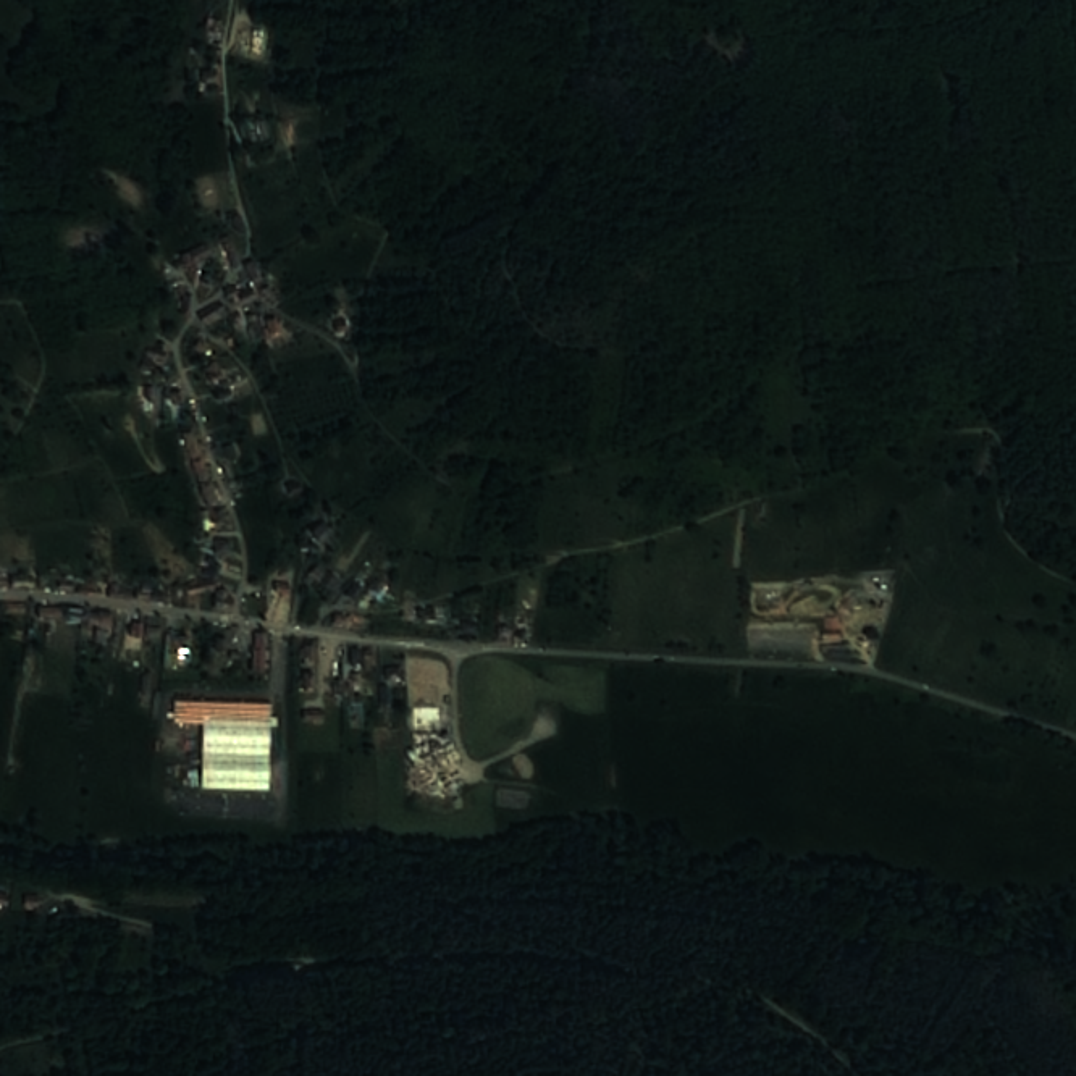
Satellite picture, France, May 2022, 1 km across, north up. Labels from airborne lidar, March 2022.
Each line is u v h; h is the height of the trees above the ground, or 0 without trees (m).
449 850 17
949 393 21
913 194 23
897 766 0
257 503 0
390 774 0
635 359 8
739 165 17
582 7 17
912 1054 25
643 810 0
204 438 0
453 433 13
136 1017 8
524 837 15
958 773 0
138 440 0
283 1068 24
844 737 0
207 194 0
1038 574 0
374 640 0
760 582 0
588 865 28
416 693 0
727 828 0
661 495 8
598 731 0
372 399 12
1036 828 0
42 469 0
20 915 0
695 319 15
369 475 0
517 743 0
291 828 0
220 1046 9
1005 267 14
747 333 8
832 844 0
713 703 0
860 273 15
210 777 0
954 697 0
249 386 0
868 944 29
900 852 0
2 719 0
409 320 16
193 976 16
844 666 0
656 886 22
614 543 0
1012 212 21
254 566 0
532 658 0
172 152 21
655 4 16
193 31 0
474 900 25
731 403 6
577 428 19
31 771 0
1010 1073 24
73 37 22
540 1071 17
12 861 25
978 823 0
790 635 0
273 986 27
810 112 18
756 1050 26
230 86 0
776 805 0
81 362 0
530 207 15
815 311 17
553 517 0
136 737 0
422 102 14
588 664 0
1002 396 15
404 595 0
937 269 15
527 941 23
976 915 29
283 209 0
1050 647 0
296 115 0
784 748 0
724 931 24
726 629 0
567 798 0
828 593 0
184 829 0
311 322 0
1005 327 21
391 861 26
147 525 0
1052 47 18
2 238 12
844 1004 25
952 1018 28
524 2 12
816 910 19
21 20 0
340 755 0
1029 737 18
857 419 14
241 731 0
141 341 0
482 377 7
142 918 0
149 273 0
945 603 0
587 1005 27
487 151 14
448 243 18
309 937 22
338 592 0
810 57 19
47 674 0
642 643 0
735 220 20
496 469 17
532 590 0
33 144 21
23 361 0
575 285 8
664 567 0
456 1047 34
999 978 27
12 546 0
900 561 0
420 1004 24
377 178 5
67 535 0
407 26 17
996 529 0
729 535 0
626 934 31
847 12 20
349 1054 23
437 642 0
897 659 0
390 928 24
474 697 0
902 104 19
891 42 18
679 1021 24
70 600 0
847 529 0
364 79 17
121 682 0
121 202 0
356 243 0
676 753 0
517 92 14
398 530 0
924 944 24
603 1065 26
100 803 0
